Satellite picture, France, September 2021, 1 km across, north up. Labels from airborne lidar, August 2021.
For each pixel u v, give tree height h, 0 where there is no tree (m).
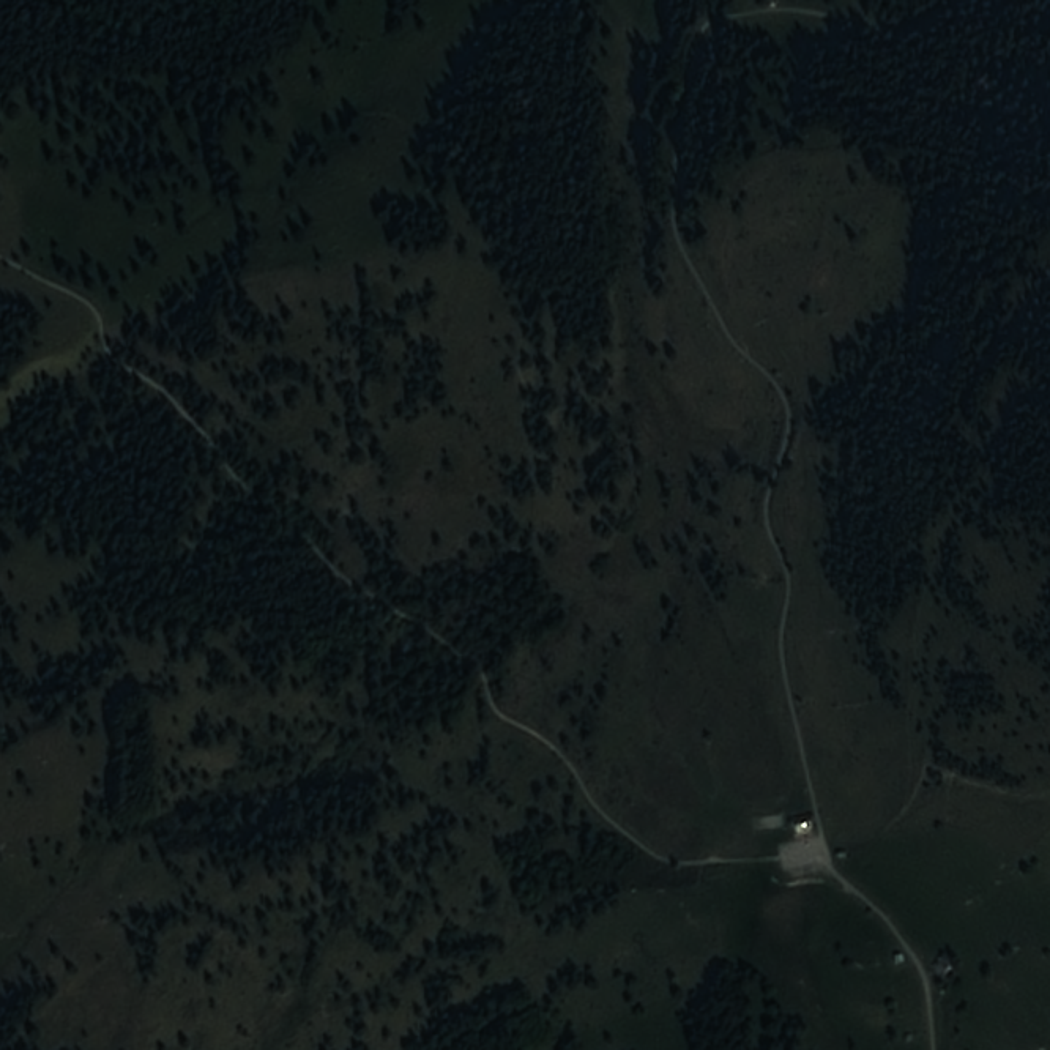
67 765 0
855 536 14
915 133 24
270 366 12
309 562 17
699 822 0
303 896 0
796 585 0
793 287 0
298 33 17
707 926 0
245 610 18
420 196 0
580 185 24
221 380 0
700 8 17
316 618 22
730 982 11
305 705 0
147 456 18
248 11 29
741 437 0
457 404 0
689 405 0
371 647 6
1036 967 0
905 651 0
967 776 8
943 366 13
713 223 0
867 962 0
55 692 15
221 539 15
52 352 0
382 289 0
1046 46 24
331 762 7
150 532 23
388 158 0
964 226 20
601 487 18
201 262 0
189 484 13
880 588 16
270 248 0
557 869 9
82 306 0
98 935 0
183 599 21
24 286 0
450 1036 21
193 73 24
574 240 18
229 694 0
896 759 0
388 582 10
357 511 14
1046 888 0
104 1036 0
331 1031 0
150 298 0
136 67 23
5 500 15
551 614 7
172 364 0
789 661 0
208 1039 0
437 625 8
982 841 0
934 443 20
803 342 0
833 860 0
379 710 11
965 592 9
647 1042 0
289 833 14
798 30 0
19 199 0
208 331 20
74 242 0
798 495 0
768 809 0
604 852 11
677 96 11
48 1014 0
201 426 15
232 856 19
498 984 0
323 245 0
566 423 8
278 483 21
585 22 18
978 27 24
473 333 0
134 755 22
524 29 25
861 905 0
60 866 0
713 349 0
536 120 26
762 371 0
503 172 20
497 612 12
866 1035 0
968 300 21
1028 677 0
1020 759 0
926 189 21
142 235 0
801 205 0
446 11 0
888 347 14
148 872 0
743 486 0
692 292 0
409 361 9
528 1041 15
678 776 0
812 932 0
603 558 7
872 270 0
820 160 0
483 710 15
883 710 0
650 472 0
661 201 10
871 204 0
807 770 0
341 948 0
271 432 0
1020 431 14
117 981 0
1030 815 0
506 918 0
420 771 0
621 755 0
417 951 0
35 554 0
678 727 0
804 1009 0
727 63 17
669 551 14
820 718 0
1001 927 0
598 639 0
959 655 0
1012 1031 0
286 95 0
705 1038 20
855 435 13
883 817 0
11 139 0
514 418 0
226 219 0
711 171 23
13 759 0
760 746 0
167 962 0
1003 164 24
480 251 0
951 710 7
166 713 0
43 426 19
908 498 13
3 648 0
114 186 0
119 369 9
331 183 0
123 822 23
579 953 0
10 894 0
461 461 0
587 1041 0
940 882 0
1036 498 16
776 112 0
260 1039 0
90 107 22
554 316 14
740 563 0
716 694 0
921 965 0
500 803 6
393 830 0
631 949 0
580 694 8
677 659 0
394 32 15
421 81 0
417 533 0
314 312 0
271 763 11
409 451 0
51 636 0
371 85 0
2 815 0
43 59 24
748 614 0
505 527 10
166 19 17
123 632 9
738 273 0
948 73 21
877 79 22
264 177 0
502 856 12
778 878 0
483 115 24
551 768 0
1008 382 0
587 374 13
